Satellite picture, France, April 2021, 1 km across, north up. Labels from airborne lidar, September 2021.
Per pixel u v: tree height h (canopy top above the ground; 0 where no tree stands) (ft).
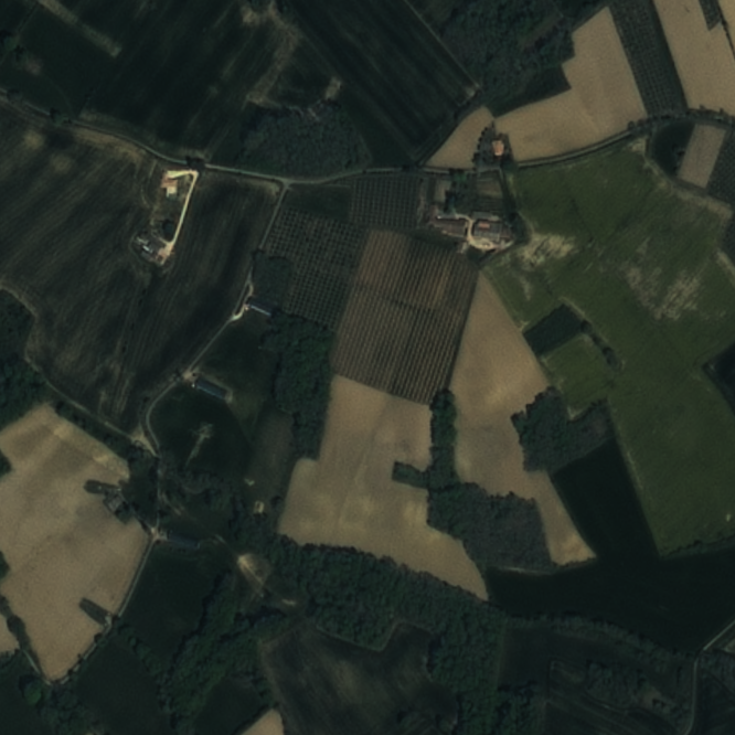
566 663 0
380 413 0
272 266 55
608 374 0
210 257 0
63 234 0
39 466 0
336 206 0
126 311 0
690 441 0
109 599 0
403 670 0
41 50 0
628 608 0
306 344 83
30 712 0
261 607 0
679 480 0
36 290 0
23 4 0
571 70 0
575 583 0
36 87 0
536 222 0
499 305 0
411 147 0
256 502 0
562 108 0
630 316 0
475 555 70
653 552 0
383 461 0
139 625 0
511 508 54
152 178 0
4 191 0
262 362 0
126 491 47
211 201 0
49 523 0
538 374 0
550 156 0
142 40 0
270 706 23
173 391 0
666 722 0
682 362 0
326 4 0
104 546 0
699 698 0
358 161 52
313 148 56
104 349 0
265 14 0
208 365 0
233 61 0
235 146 0
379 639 68
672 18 0
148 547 0
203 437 0
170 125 0
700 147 0
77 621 0
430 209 0
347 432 0
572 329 20
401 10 0
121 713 0
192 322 0
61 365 0
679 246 0
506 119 0
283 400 69
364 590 79
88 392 0
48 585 0
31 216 0
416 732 0
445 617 79
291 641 0
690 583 0
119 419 0
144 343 0
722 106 0
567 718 0
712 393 0
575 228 0
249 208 0
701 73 0
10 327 27
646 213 0
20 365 81
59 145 0
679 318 0
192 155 0
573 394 0
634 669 0
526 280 0
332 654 0
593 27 0
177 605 0
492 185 0
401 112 0
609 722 0
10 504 0
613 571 0
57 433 0
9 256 0
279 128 64
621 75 0
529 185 0
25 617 0
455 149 0
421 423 0
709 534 0
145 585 0
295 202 0
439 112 0
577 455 47
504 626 38
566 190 0
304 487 0
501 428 0
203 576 0
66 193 0
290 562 100
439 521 65
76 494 0
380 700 0
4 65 0
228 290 0
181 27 0
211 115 0
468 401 0
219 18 0
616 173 0
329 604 79
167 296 0
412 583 96
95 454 0
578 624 63
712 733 0
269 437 0
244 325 0
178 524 0
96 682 0
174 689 65
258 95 0
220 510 46
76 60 0
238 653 98
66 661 0
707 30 0
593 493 0
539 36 0
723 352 0
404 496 0
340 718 0
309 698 0
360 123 0
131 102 0
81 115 0
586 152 0
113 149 0
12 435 0
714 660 31
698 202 0
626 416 0
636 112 0
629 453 0
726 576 0
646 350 0
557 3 49
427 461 0
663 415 0
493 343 0
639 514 0
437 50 0
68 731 61
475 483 0
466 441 0
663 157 0
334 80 0
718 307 0
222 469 0
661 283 0
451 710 0
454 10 0
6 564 39
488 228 0
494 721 48
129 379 0
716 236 0
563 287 0
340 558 96
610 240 0
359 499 0
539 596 0
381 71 0
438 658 72
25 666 33
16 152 0
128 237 0
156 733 0
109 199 0
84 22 0
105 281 0
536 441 52
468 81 0
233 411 0
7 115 0
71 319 0
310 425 61
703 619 0
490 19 66
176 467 36
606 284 0
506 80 64
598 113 0
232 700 0
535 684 31
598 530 0
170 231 43
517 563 28
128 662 0
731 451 0
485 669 78
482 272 0
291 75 0
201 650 72
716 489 0
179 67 0
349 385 0
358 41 0
